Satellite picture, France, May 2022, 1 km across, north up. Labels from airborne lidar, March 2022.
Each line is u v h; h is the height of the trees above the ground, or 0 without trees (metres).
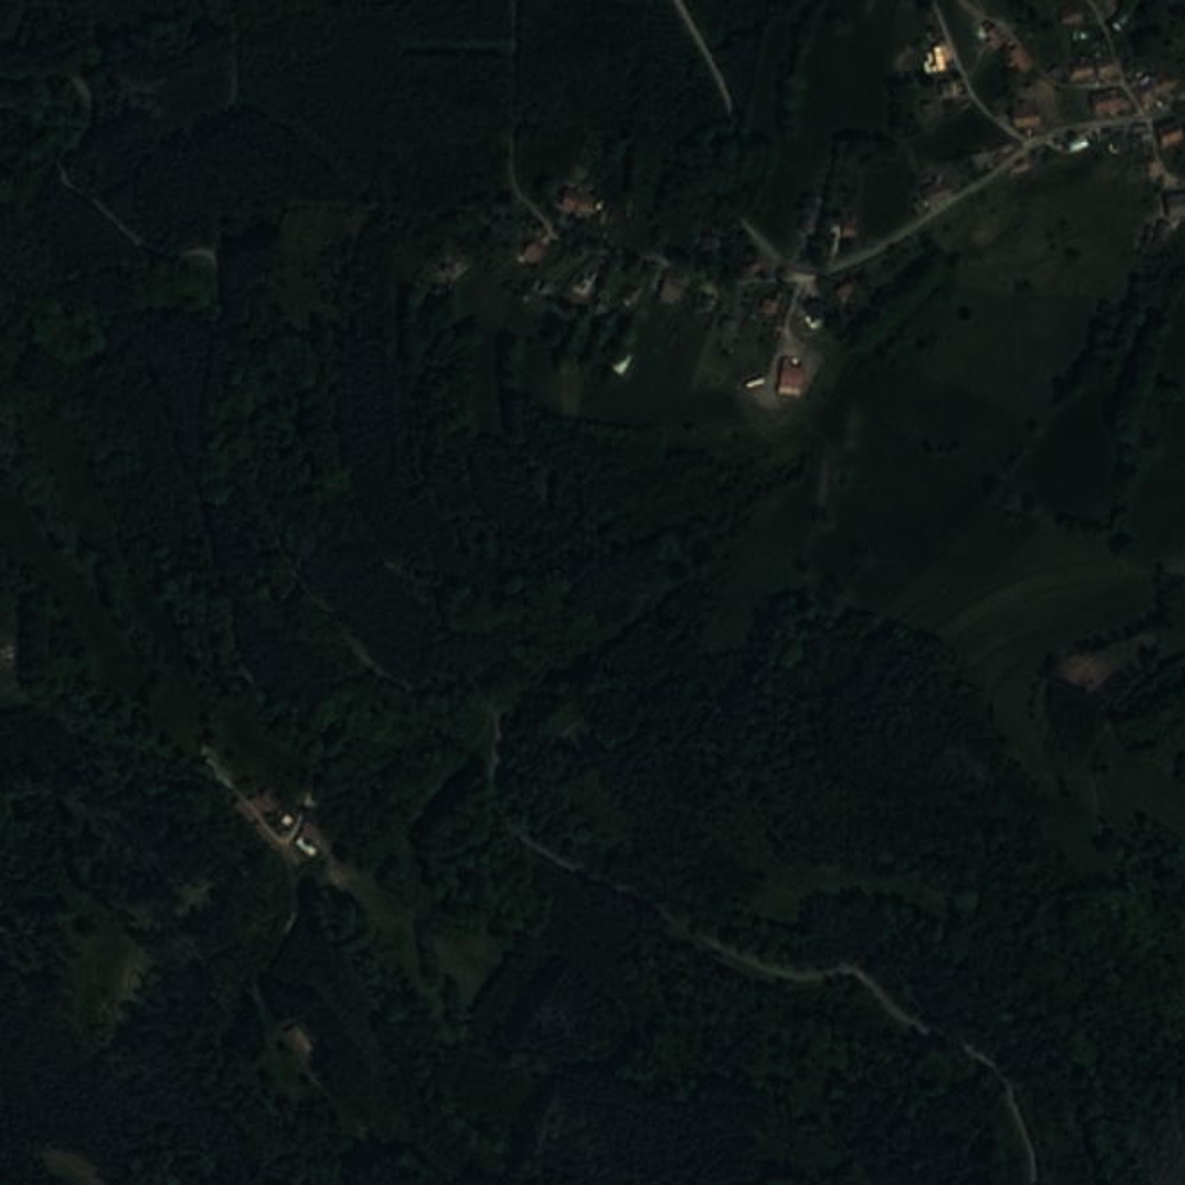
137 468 8
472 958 0
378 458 24
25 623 19
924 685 11
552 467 10
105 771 17
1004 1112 6
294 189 22
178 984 35
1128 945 29
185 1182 30
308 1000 24
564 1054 36
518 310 0
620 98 9
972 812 17
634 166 12
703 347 0
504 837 20
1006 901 17
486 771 22
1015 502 16
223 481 28
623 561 33
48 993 26
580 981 30
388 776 29
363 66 9
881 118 0
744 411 0
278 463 21
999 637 0
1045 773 0
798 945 23
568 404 0
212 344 31
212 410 30
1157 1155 27
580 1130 34
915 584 0
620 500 12
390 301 8
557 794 27
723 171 27
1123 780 0
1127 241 0
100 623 0
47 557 0
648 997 20
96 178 23
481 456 10
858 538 0
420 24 10
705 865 15
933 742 11
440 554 10
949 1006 29
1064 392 19
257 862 25
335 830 11
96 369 15
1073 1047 28
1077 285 0
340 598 27
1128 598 0
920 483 0
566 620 28
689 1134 34
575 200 0
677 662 13
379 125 11
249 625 30
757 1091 32
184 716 0
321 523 26
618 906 30
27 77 24
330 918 21
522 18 14
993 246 0
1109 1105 29
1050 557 0
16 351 15
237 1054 23
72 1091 26
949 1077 30
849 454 0
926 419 0
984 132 0
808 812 24
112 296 29
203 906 0
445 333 20
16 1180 30
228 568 28
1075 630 0
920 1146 34
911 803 20
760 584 0
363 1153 10
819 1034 34
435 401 21
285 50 10
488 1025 10
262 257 24
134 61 32
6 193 26
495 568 10
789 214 0
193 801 25
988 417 0
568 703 23
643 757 29
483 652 29
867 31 0
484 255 7
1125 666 0
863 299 0
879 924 23
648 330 0
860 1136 15
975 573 0
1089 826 0
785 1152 0
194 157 26
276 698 27
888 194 0
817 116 0
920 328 0
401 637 23
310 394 22
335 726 11
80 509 0
